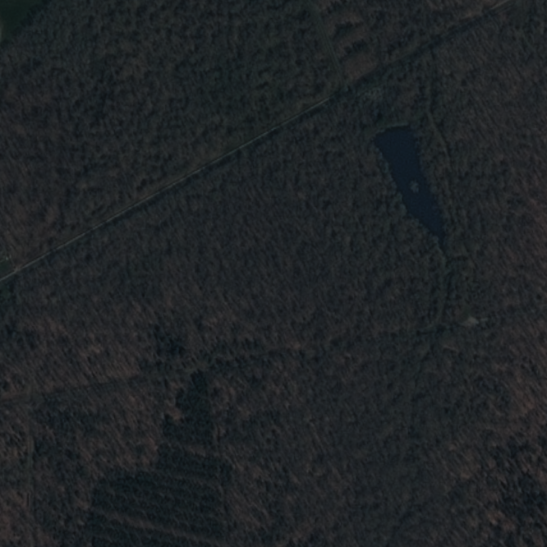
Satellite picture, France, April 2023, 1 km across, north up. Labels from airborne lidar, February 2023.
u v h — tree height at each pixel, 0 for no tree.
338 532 22
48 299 10
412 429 8
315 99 12
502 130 27
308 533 0
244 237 25
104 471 22
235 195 24
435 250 16
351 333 20
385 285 9
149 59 22
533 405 22
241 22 15
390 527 25
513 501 24
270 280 25
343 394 26
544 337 25
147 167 19
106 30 12
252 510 26
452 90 26
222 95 19
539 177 22
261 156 23
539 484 20
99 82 7
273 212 21
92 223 21
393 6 15
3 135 26
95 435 24
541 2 24
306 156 19
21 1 0
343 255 26
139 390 25
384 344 23
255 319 23
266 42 24
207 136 19
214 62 22
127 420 26
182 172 11
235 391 24
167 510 19
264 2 16
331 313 20
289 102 21
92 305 24
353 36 19
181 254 23
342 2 18
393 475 24
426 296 17
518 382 24
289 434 24
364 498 22
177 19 13
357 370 20
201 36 13
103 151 21
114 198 22
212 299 24
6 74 28
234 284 25
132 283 22
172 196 24
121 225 15
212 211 26
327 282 26
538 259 23
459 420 21
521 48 27
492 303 22
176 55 22
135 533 14
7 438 25
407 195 0
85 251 13
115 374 30
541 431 23
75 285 21
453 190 19
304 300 26
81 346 27
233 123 22
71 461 22
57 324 29
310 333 23
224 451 20
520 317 25
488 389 21
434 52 19
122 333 23
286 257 26
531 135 21
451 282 14
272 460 20
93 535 15
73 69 23
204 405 13
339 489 25
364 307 22
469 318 0
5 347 27
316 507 19
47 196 24
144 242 27
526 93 26
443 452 25
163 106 19
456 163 20
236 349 17
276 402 19
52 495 23
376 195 27
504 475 24
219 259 26
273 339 25
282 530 23
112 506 14
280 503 23
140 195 16
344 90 0
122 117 20
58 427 19
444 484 26
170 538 20
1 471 11
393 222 21
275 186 25
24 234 30
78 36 20
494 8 0
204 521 16
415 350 20
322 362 21
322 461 22
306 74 25
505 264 26
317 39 21
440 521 23
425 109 23
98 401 30
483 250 16
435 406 17
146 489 19
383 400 25
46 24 24
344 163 25
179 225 24
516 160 25
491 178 10
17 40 21
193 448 21
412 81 20
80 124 22
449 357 19
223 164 10
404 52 19
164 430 17
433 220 0
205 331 24
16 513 23
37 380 27
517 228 20
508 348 17
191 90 21
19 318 26
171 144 20
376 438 27
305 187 21
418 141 9
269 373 25
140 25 13
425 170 14
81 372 29
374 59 14
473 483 10
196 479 18
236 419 25
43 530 25
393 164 0
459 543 28
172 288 25
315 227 23
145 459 26
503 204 21
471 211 21
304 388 23
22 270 0
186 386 23
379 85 19
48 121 23
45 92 28
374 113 20
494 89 24
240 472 26
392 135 0
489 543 25
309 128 24
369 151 18
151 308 24
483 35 22
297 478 23
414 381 16
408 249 25
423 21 16
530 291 23
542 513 22
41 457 19
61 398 24
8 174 0
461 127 25
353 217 25
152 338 23
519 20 0
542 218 20
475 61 28
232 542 21
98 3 14
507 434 22
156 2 27
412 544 23
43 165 25
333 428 18
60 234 25
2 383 21
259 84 20
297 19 7
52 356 23
